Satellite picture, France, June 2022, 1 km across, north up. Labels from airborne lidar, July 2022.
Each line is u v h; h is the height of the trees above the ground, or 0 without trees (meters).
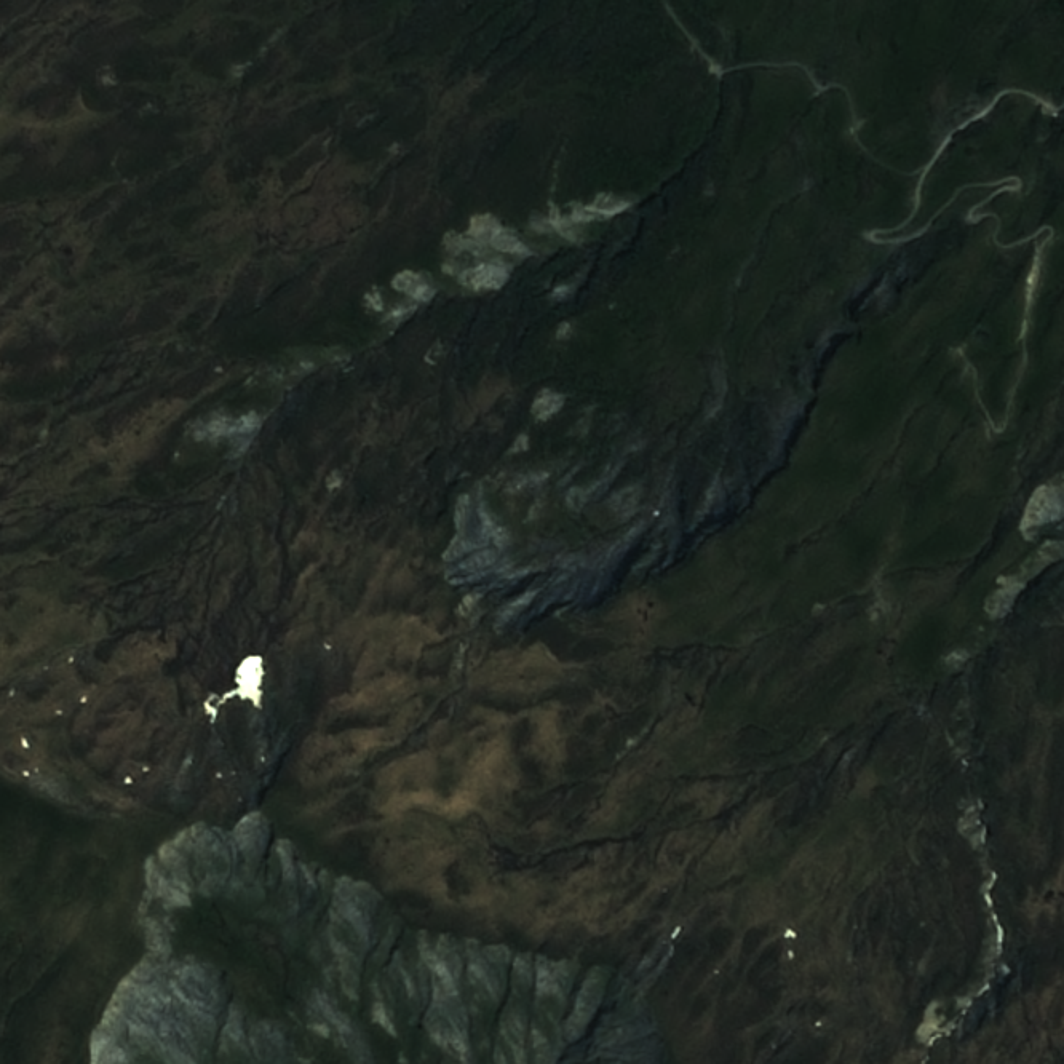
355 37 0
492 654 0
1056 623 0
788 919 0
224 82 0
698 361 0
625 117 0
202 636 0
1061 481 0
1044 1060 0
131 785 0
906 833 0
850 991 0
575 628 0
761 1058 0
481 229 0
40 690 0
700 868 0
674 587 0
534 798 0
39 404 0
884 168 0
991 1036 0
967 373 0
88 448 0
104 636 0
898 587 0
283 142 0
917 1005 0
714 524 12
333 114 0
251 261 0
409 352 0
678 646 0
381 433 0
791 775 0
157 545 0
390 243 0
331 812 0
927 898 0
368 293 0
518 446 0
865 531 0
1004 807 0
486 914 0
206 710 0
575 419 0
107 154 0
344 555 0
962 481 0
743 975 0
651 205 6
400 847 0
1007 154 0
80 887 0
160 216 0
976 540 0
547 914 0
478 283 0
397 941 0
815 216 0
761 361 0
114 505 0
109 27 0
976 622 0
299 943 0
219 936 0
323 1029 0
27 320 0
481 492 0
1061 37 0
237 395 0
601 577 0
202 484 0
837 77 0
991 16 0
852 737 0
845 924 0
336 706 0
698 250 0
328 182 0
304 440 0
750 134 0
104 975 0
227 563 0
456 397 0
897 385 0
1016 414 0
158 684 0
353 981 0
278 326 0
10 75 0
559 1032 0
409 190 0
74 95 0
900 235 0
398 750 0
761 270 0
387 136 0
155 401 0
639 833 0
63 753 0
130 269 0
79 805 0
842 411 0
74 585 0
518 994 0
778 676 0
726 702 0
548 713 0
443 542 0
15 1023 0
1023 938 0
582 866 0
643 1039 0
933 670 0
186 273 0
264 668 0
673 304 0
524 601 0
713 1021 0
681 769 0
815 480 0
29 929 0
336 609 0
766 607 0
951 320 0
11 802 0
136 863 0
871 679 0
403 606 0
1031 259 0
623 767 0
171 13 0
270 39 0
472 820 0
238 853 0
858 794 0
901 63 0
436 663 0
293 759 0
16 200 0
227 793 0
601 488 0
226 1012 0
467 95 0
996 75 0
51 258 0
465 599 0
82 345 0
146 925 0
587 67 0
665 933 0
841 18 0
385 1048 0
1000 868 0
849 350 0
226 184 0
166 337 0
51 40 0
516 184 0
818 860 0
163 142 0
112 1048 0
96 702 0
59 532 0
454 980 0
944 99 0
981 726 0
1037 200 0
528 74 0
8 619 0
